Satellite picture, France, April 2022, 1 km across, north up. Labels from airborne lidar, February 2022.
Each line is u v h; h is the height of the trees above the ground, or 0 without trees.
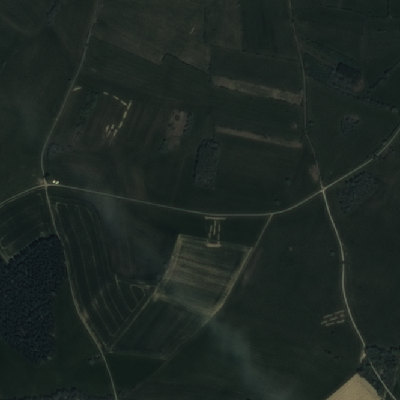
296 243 0
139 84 0
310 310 0
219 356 0
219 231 0
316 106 0
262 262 0
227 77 0
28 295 24
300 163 0
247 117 0
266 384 0
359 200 15
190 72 0
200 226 0
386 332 0
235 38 0
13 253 0
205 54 0
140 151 0
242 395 0
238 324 0
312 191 0
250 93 0
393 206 0
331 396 0
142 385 0
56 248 19
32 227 0
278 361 0
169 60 0
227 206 0
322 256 0
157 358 0
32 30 0
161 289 0
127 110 0
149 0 0
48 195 0
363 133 0
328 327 0
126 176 0
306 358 0
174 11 0
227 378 0
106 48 0
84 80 0
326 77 6
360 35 0
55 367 0
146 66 0
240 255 0
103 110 0
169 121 0
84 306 0
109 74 0
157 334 0
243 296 0
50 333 22
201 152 16
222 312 0
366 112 0
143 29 0
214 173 17
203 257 0
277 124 0
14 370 0
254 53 0
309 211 0
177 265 0
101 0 0
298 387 0
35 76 0
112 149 0
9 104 0
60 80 0
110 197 0
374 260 0
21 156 0
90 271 0
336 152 0
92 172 0
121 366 0
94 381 0
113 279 0
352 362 0
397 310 0
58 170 0
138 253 0
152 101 0
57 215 0
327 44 0
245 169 0
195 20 0
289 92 0
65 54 0
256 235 0
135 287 0
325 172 0
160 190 0
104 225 0
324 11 0
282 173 0
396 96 0
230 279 0
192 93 0
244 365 0
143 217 0
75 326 0
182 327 0
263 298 0
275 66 0
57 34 0
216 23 0
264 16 0
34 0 0
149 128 0
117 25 0
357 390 0
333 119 0
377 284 0
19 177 0
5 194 0
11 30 0
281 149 0
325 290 0
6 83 0
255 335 0
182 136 0
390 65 0
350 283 0
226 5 0
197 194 0
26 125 0
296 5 0
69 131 0
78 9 0
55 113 0
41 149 0
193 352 0
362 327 0
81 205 0
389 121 0
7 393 0
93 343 0
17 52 0
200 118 0
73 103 0
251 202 0
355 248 0
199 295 0
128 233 0
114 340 0
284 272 0
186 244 0
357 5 0
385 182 0
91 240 0
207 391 0
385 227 0
